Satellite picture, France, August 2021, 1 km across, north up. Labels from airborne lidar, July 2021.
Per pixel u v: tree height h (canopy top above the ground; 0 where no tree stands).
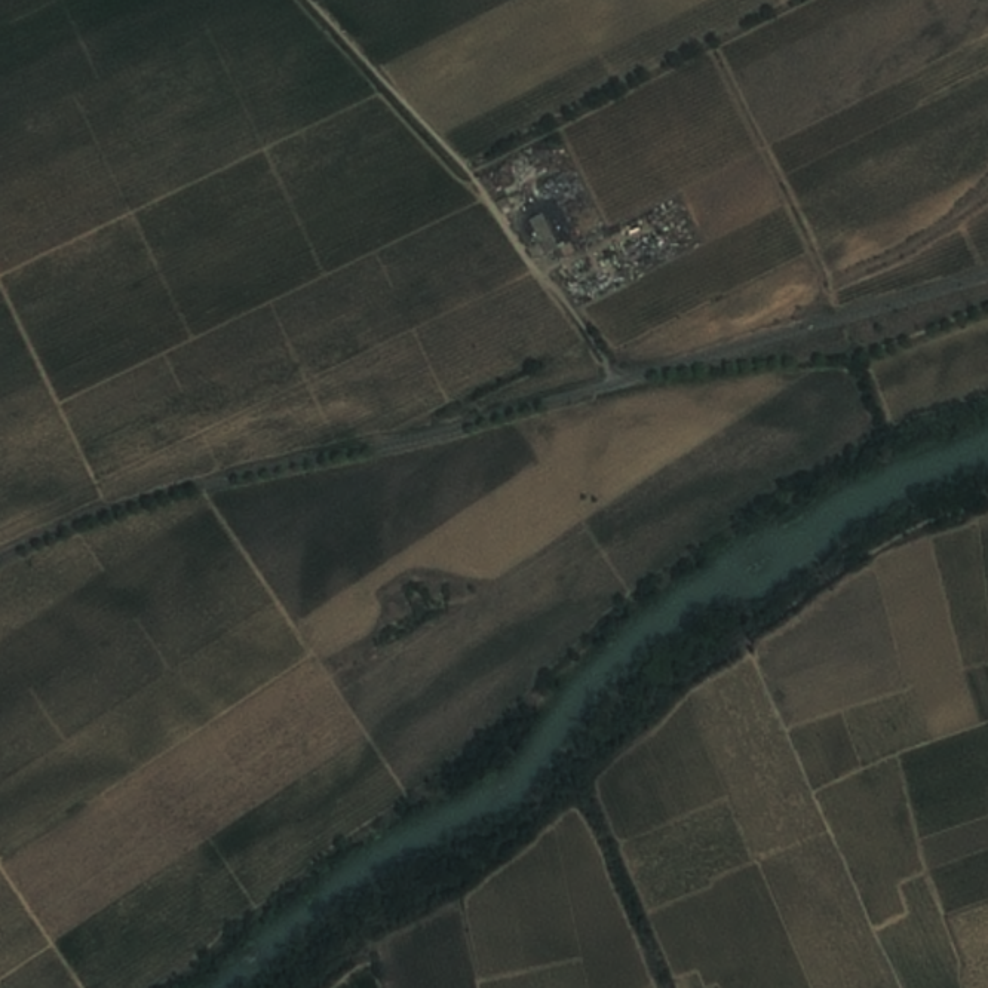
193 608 0
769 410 0
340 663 0
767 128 0
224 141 0
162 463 0
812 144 0
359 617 0
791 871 0
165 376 0
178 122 0
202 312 0
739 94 0
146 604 0
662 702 13
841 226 0
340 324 0
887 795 0
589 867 0
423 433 0
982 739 0
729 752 0
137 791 0
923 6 0
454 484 0
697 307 0
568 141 0
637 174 0
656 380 15
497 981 0
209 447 0
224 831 0
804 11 0
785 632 0
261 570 0
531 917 0
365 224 0
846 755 0
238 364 0
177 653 0
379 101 0
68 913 0
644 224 0
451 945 0
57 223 0
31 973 0
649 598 16
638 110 0
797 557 0
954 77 0
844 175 0
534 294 0
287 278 0
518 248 0
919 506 11
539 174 0
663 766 0
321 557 0
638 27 0
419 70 0
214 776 0
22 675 0
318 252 0
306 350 0
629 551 0
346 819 0
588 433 0
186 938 0
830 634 0
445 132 0
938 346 0
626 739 11
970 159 0
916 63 0
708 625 10
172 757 0
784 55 0
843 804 0
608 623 14
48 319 0
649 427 0
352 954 5
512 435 0
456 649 0
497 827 11
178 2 0
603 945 0
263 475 11
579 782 23
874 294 0
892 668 0
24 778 0
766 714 0
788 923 0
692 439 0
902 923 0
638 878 0
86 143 0
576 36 0
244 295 0
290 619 0
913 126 0
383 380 0
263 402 0
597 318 0
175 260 0
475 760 17
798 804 0
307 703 0
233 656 0
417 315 0
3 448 0
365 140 0
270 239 0
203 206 0
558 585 0
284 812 0
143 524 0
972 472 8
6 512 0
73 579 0
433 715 0
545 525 0
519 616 0
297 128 0
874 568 0
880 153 0
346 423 0
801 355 0
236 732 0
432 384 0
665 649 13
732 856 0
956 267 0
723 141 0
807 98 0
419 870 20
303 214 0
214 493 0
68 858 0
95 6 0
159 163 0
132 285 0
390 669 0
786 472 0
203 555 0
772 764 0
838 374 0
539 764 0
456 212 0
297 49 0
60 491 0
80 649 0
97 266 0
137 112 0
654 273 0
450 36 0
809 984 0
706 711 0
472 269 0
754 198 0
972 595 0
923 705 0
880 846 0
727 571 0
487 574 0
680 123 0
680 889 0
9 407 0
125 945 0
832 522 0
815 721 0
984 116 0
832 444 0
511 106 0
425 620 8
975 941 0
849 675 0
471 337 0
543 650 0
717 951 0
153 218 0
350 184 0
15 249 0
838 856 0
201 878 0
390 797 0
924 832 0
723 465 0
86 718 0
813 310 0
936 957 0
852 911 0
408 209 0
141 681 0
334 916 26
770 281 0
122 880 0
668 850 0
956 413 26
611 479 0
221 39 0
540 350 0
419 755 0
